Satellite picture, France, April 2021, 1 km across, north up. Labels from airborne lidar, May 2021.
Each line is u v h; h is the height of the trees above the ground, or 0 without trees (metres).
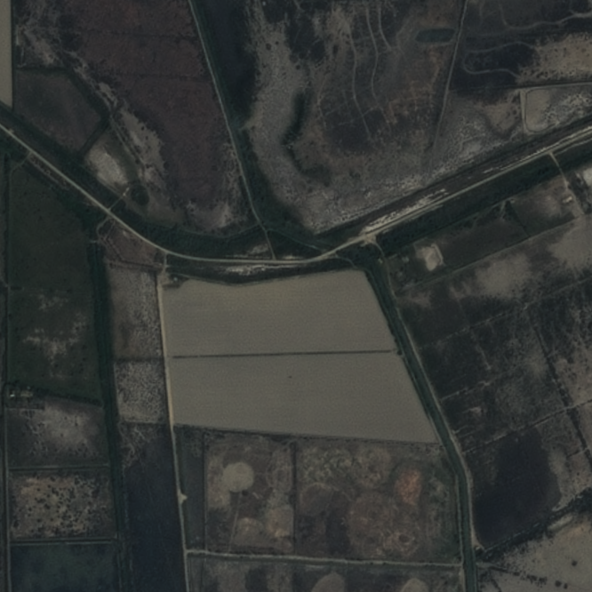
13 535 0
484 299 0
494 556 0
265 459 0
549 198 0
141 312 0
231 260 0
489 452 0
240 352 0
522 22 0
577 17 0
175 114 0
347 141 0
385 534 0
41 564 0
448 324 0
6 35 0
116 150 0
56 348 0
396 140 0
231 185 0
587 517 0
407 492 0
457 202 0
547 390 0
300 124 0
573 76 0
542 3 0
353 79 0
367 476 0
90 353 0
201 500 0
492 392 0
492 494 0
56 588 0
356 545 0
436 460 0
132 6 0
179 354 0
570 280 0
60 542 0
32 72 0
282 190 0
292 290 0
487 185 0
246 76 0
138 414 0
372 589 0
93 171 0
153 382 0
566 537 0
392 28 0
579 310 0
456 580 0
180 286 0
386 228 0
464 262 0
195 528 0
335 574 0
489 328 0
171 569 0
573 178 0
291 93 0
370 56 0
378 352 0
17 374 0
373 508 0
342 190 0
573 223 0
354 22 0
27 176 0
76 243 0
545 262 0
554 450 0
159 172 0
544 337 0
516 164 0
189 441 0
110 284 0
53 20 0
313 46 0
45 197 0
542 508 0
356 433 0
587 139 0
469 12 0
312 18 0
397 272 0
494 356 0
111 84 0
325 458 0
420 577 0
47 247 0
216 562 0
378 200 0
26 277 0
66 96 0
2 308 0
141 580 0
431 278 0
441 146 0
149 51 0
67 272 0
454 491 0
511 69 0
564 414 0
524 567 0
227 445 0
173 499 0
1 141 5
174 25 0
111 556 0
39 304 0
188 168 0
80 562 0
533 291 0
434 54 0
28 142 0
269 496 0
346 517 0
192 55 0
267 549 0
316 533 0
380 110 0
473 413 0
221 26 0
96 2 0
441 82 0
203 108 0
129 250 0
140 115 0
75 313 0
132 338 0
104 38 0
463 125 0
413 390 0
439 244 0
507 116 0
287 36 0
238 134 0
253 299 0
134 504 0
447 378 0
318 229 0
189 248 7
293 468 0
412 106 0
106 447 0
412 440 0
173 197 0
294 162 0
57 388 0
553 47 0
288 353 0
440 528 0
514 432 0
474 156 0
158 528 0
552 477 0
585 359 0
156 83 0
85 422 0
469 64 0
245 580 0
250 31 0
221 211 0
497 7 0
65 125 0
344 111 0
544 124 0
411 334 0
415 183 0
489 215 0
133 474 0
